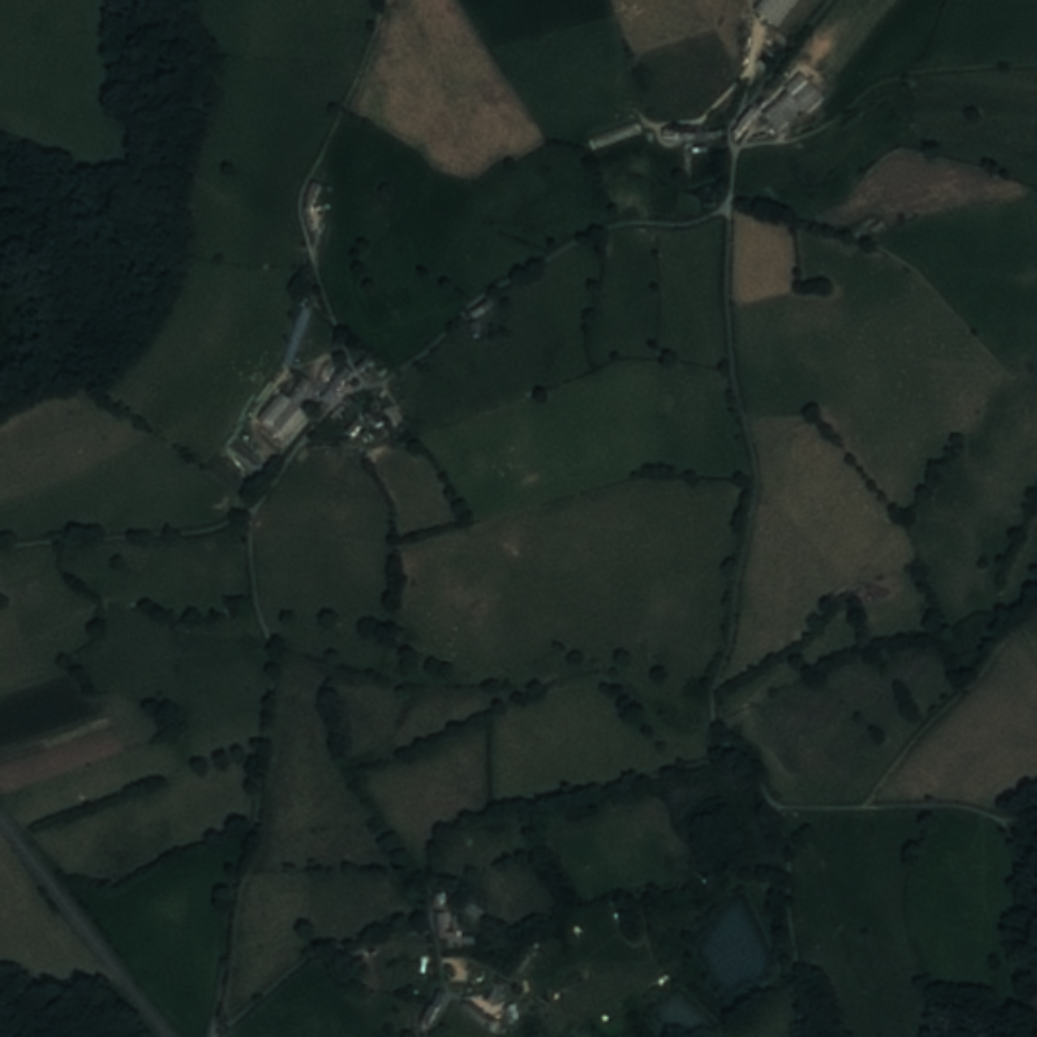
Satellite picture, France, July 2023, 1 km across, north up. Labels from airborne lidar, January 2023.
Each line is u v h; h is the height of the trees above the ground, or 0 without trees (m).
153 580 0
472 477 0
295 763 0
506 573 0
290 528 0
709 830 21
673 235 0
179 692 0
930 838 6
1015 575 0
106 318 15
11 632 0
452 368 0
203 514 0
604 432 0
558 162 0
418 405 0
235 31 0
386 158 0
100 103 0
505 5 0
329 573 0
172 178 24
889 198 0
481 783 0
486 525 0
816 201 0
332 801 0
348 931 0
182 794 0
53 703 0
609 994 0
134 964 0
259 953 0
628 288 0
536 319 0
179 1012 0
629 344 0
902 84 8
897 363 0
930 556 0
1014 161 0
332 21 0
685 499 0
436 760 0
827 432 14
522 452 0
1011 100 0
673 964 0
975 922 0
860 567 0
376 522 0
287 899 0
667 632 0
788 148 0
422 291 0
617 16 0
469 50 0
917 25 0
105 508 0
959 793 0
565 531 0
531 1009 0
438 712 0
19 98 0
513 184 0
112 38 19
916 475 0
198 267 0
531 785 0
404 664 14
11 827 0
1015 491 0
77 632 0
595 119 0
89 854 0
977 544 0
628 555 0
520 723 0
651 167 0
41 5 0
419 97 0
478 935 6
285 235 0
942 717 0
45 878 0
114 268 18
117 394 0
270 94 0
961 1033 22
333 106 12
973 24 0
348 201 0
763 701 0
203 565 0
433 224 0
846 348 0
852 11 0
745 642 0
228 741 0
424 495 0
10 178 6
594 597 0
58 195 22
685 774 7
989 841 0
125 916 0
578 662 15
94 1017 21
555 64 0
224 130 0
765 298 0
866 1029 0
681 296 0
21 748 0
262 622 0
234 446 0
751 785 16
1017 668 0
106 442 0
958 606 0
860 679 0
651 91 0
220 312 0
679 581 0
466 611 0
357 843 0
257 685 0
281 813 0
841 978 0
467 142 0
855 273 0
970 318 0
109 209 17
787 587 0
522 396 0
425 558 0
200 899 0
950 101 0
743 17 0
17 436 0
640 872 0
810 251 0
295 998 0
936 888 0
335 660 14
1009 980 0
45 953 0
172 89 30
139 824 0
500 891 0
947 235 0
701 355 0
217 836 17
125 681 0
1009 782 0
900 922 0
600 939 0
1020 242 0
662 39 0
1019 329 0
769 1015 0
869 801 0
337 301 0
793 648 8
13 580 0
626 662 19
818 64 0
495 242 0
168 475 0
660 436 0
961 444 16
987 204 0
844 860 0
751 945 0
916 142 0
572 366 0
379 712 0
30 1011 24
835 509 0
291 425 0
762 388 0
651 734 14
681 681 0
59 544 13
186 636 0
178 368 0
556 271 0
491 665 0
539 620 0
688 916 0
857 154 0
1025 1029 30
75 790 0
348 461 0
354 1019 0
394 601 17
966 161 0
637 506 0
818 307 0
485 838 0
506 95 0
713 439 0
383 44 0
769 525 0
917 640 13
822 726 0
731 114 8
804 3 0
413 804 0
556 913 8
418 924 17
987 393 0
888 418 0
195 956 0
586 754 0
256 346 0
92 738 0
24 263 24
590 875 0
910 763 0
